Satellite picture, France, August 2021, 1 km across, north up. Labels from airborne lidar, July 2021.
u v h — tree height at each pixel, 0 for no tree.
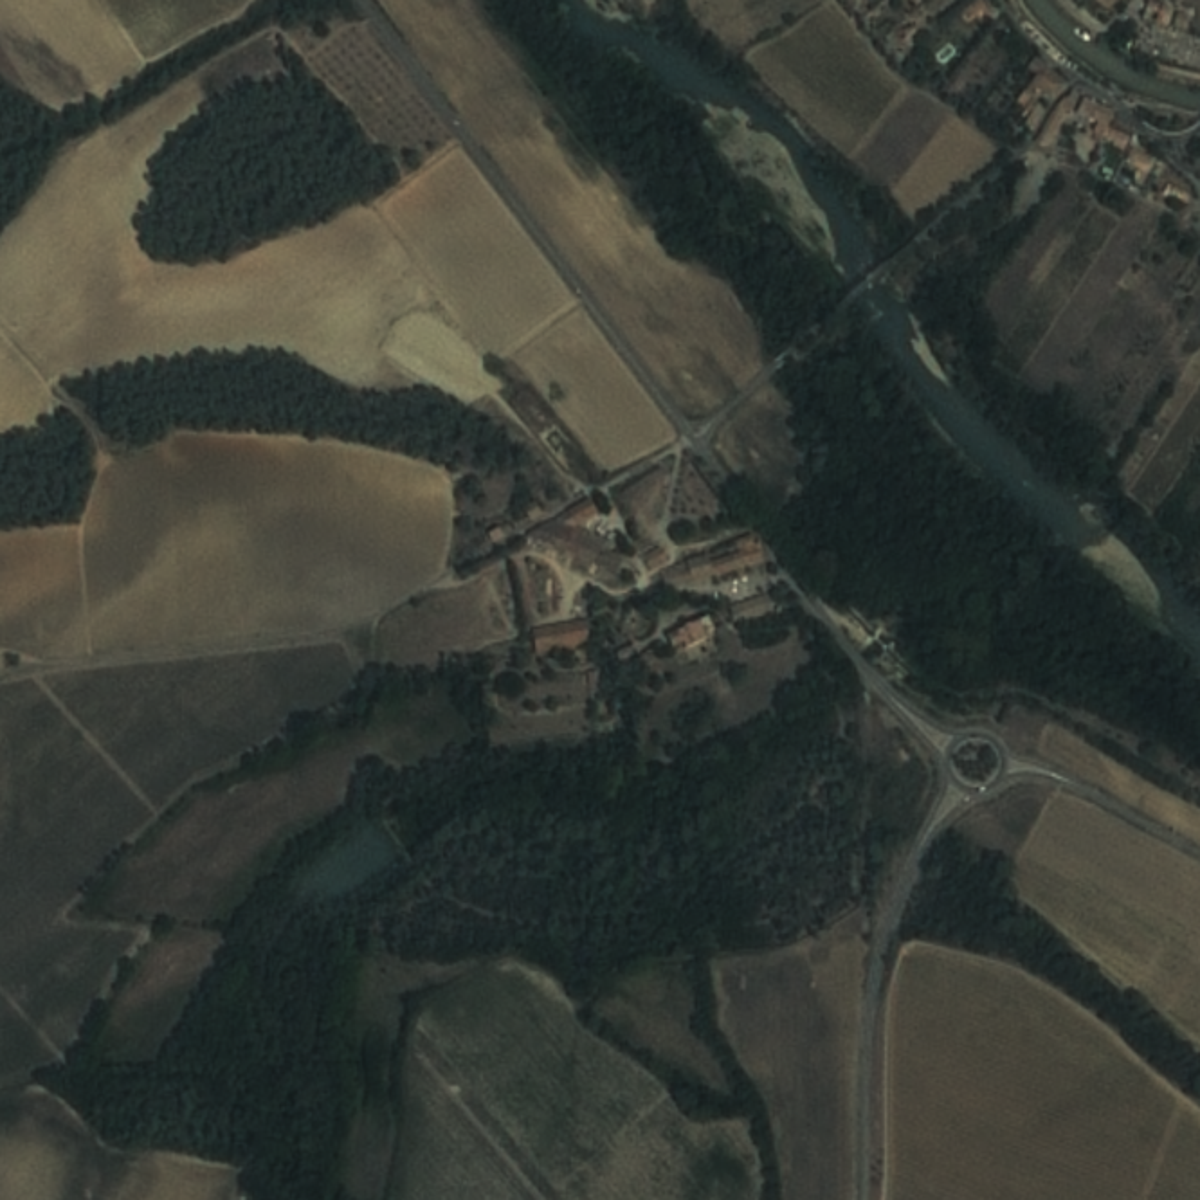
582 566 0
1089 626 12
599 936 20
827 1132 0
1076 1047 0
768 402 0
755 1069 0
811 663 9
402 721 0
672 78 0
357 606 0
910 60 7
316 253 0
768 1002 0
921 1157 0
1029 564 25
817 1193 0
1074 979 10
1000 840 0
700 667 0
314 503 0
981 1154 0
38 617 0
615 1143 0
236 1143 16
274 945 16
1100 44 10
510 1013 0
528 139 0
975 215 13
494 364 13
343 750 0
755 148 0
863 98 0
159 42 0
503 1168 0
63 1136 0
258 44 0
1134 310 0
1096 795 0
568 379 0
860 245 0
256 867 0
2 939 0
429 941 17
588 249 0
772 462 0
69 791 0
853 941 0
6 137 11
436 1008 0
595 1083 0
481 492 5
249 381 16
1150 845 0
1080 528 0
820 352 8
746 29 0
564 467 0
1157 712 14
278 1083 23
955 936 11
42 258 0
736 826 8
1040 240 0
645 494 0
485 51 0
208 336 0
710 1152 0
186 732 0
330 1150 6
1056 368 0
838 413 17
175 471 0
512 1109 0
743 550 0
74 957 0
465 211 0
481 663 10
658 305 0
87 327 0
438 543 0
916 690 9
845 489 13
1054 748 0
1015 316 0
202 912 0
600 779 22
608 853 6
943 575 12
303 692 0
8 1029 0
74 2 0
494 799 20
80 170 0
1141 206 0
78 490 18
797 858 12
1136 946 0
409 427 12
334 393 15
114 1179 0
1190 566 16
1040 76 0
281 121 14
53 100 0
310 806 0
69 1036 0
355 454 0
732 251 19
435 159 0
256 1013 12
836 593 11
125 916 0
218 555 0
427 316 0
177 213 13
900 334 0
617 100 17
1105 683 16
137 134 0
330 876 0
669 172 22
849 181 13
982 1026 0
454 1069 0
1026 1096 0
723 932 14
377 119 0
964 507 8
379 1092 7
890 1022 0
